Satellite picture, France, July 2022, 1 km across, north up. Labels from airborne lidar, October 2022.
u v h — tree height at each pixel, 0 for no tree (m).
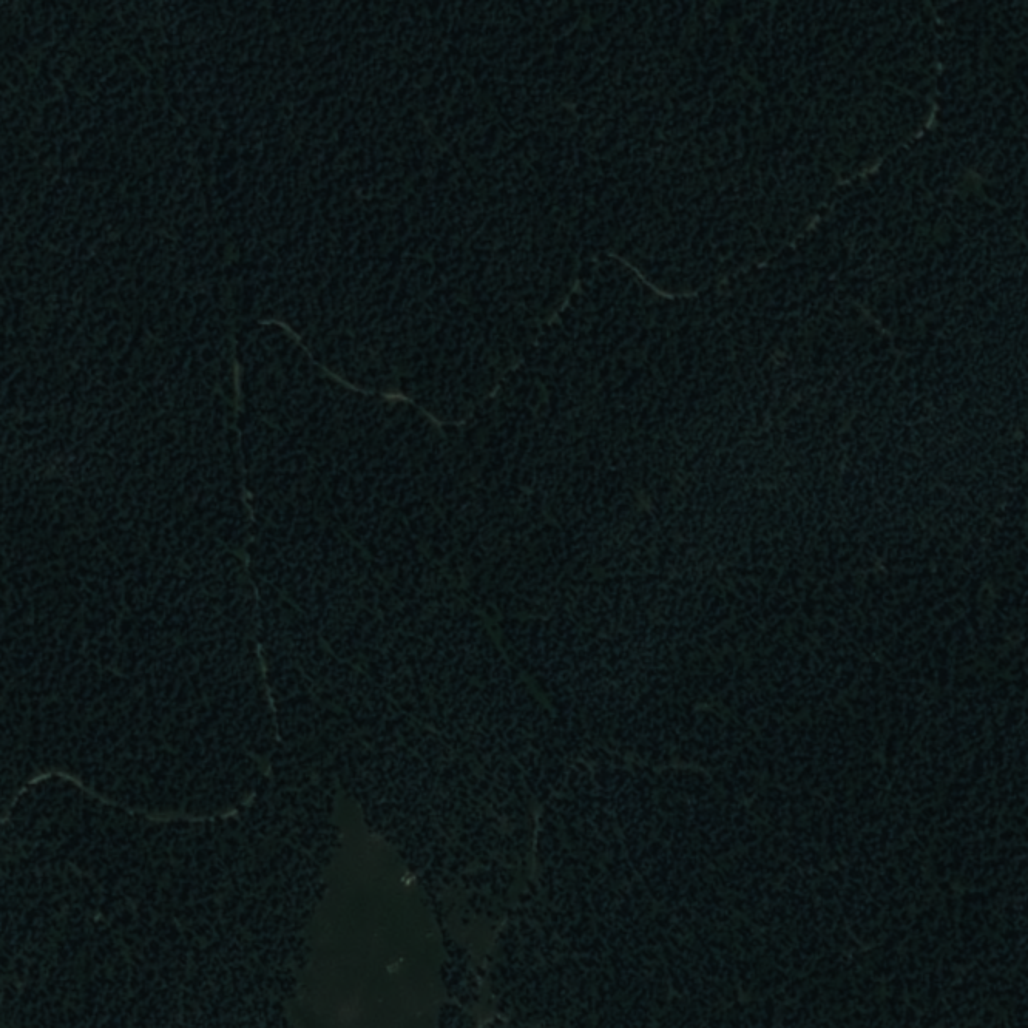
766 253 21
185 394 19
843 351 29
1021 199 14
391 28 23
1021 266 23
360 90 19
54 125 11
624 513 27
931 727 19
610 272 22
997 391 19
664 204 10
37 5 10
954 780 15
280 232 29
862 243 17
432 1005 0
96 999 31
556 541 9
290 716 23
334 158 23
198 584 23
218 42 20
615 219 12
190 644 7
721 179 19
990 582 23
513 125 28
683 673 9
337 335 8
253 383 20
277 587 18
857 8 26
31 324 20
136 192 18
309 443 8
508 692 19
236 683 22
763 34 22
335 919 0
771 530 8
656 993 11
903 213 14
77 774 17
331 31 23
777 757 27
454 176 23
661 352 32
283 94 16
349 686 17
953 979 18
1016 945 23
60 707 13
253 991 21
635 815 28
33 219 20
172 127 7
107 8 25
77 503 12
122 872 24
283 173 22
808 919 13
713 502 20
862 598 26
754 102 17
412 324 18
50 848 15
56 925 25
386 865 0
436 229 17
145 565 22
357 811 0
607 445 24
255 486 17
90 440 20
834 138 13
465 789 20
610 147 16
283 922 14
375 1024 0
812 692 26
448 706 8
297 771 7
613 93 15
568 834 8
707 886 21
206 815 11
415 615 20
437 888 17
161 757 13
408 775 19
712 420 21
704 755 9
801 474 20
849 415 15
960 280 27
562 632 15
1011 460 20
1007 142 27
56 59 25
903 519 27
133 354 23
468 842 17
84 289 13
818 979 21
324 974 0
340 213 18
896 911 18
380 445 11
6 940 21
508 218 11
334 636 26
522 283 18
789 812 7
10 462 16
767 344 15
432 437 20
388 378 17
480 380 7
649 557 18
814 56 18
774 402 19
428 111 22
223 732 20
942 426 22
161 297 24
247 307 18
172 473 19
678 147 15
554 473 26
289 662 27
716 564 18
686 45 15
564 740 28
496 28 9
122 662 28
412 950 0
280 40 18
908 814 20
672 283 14
